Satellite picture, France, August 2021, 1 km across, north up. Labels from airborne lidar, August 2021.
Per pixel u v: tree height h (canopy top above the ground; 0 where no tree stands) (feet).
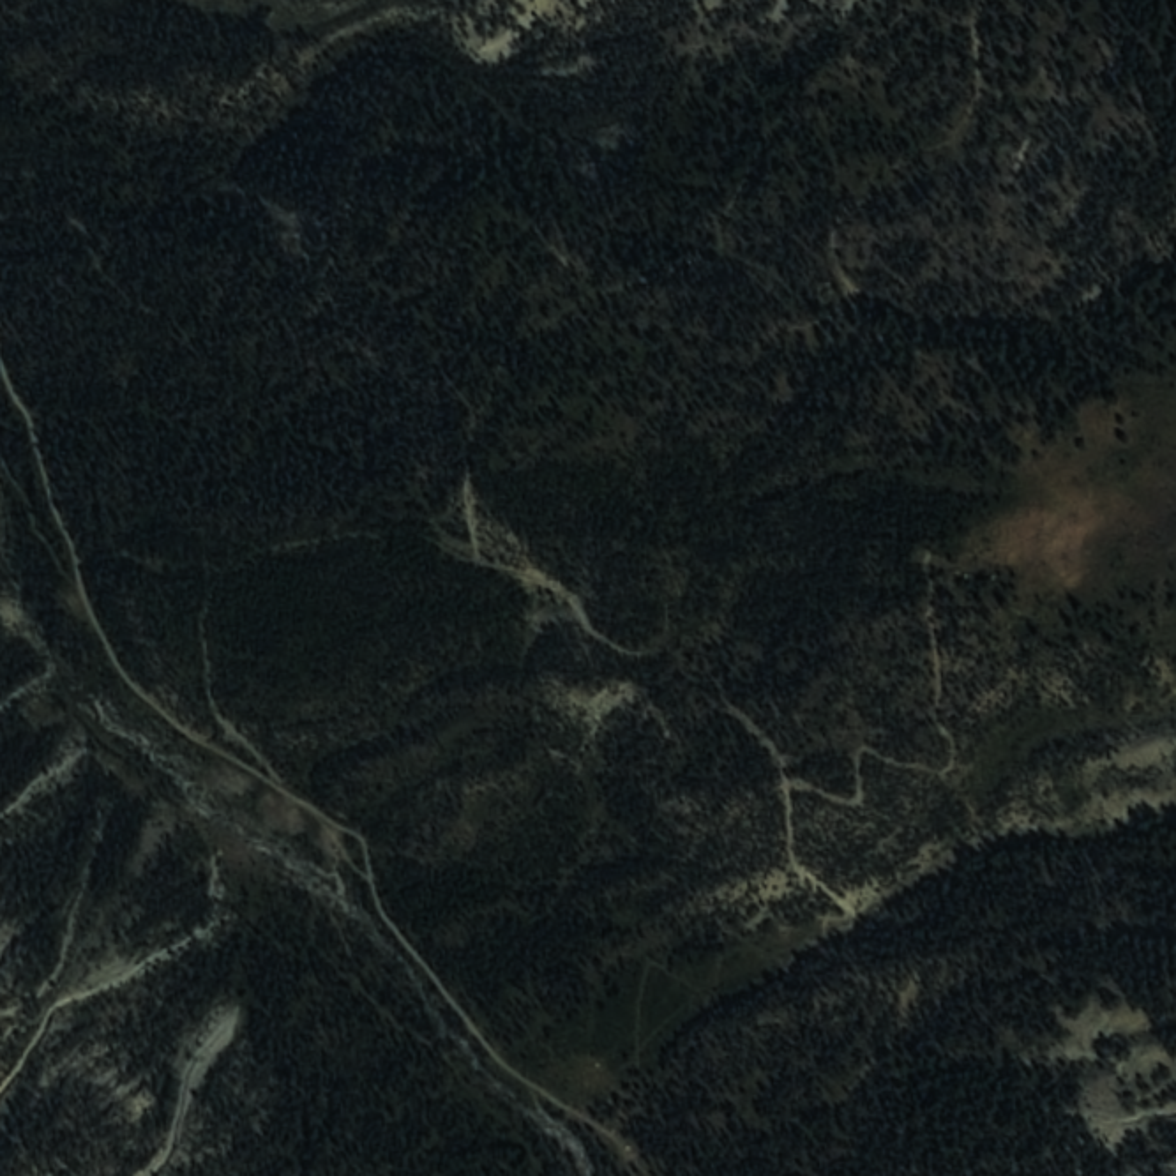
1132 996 39
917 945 22
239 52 34
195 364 65
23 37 27
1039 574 0
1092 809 0
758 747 19
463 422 28
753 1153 25
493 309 22
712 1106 44
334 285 32
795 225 32
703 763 28
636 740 22
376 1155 39
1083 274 40
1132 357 32
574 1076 0
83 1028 28
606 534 28
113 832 28
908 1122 22
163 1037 25
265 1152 33
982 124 22
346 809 22
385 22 0
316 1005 21
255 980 24
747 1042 44
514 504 21
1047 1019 34
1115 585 0
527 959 30
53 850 45
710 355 45
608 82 39
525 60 37
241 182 25
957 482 0
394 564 24
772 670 27
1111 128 0
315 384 62
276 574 34
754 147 34
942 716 34
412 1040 38
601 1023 0
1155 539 0
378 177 40
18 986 33
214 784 0
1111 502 0
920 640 26
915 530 26
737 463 26
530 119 29
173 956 30
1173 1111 0
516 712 28
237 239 31
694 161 38
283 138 26
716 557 25
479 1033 0
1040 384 57
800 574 23
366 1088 20
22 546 23
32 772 26
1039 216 42
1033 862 32
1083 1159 45
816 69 39
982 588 20
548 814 25
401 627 18
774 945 0
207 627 24
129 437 21
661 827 23
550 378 53
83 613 0
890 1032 35
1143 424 0
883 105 0
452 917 25
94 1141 28
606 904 21
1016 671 57
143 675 24
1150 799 0
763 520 26
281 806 0
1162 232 20
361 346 39
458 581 23
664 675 21
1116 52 47
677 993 0
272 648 19
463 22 25
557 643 23
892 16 22
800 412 35
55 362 57
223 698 21
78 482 59
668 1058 48
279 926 22
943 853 0
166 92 26
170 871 36
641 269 35
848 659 26
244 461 62
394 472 44
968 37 41
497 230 33
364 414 28
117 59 24
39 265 35
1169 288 58
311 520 53
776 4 42
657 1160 47
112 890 24
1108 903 30
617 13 36
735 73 18
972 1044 35
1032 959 51
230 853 0
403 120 38
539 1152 31
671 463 20
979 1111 52
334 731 24
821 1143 32
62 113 53
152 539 27
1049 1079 33
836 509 35
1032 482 0
